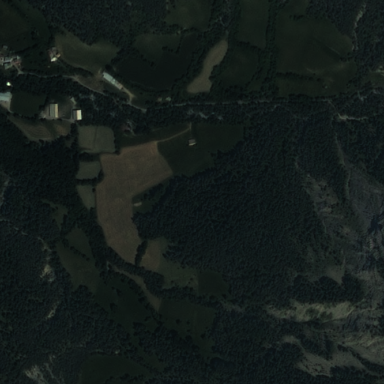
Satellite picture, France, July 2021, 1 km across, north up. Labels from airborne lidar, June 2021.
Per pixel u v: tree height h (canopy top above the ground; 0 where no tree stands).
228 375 16
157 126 9
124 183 0
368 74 7
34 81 13
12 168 25
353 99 14
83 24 13
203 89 0
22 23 0
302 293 14
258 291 27
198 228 26
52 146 25
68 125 0
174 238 19
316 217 16
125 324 0
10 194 14
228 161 22
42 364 8
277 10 8
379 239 0
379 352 0
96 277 0
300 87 0
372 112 20
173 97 10
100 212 0
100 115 17
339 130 17
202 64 11
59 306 13
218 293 0
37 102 0
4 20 0
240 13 11
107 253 16
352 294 14
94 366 0
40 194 26
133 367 0
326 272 0
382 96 7
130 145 0
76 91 9
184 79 14
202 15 0
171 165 0
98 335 17
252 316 7
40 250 14
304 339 20
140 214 19
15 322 17
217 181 23
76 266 0
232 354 30
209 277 0
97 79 0
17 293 13
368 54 24
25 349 14
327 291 17
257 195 17
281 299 11
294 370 15
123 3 9
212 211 20
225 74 0
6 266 25
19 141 26
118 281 0
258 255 26
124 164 0
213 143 0
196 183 20
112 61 11
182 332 0
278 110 14
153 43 0
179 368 11
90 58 0
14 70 6
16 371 10
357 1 19
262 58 12
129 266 19
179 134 0
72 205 21
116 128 16
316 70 0
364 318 0
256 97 18
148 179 0
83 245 0
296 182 13
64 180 17
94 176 0
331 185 12
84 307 24
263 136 22
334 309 0
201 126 0
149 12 13
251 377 24
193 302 17
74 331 19
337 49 0
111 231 0
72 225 20
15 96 0
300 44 0
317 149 19
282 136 13
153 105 9
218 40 12
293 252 21
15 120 0
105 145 0
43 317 11
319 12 16
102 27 13
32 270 11
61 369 10
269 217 23
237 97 10
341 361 0
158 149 0
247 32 0
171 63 0
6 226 12
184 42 0
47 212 21
